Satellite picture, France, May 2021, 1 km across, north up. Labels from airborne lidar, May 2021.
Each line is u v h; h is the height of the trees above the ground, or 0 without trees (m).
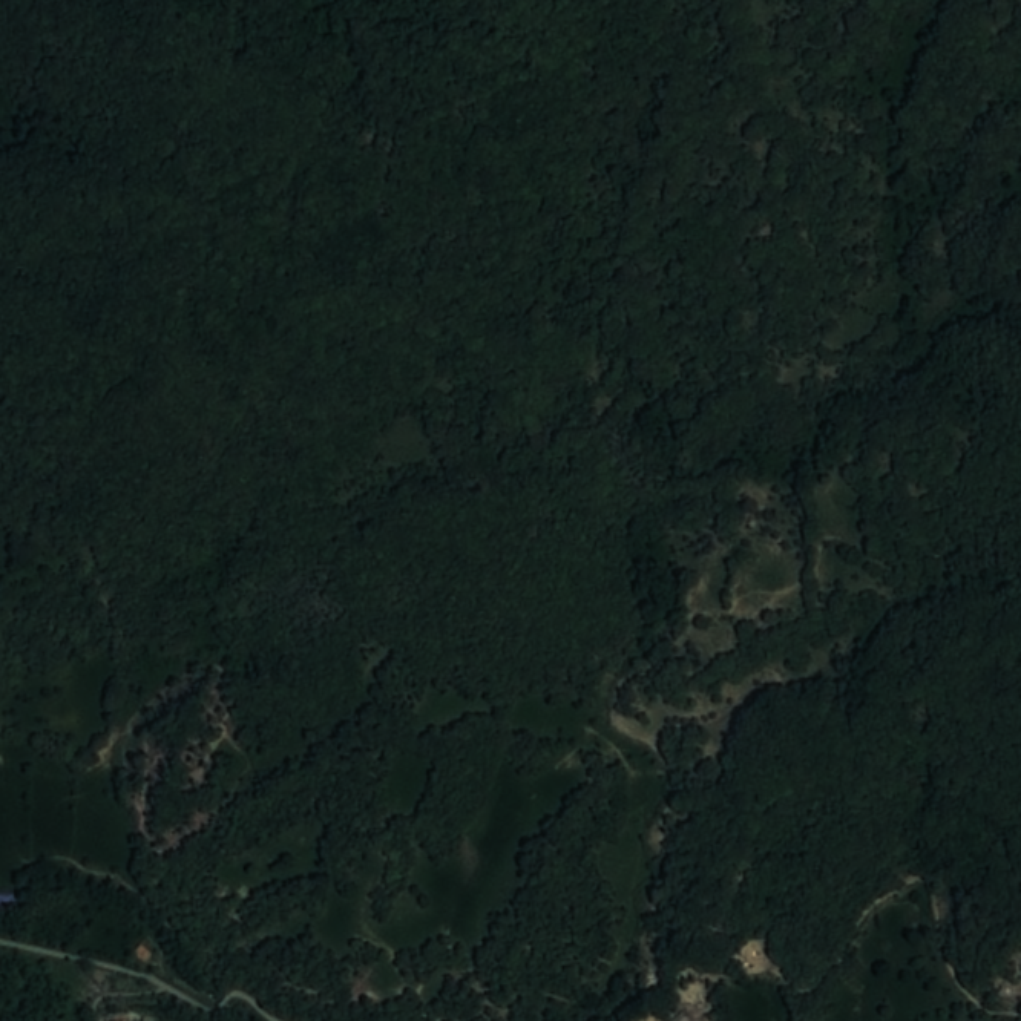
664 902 14
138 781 14
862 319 0
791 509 7
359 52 18
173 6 17
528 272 18
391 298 18
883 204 15
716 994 14
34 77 17
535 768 15
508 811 0
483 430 18
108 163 18
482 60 9
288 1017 15
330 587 10
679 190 16
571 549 12
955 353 12
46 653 10
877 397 16
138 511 15
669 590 19
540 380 17
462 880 0
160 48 17
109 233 16
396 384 20
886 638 18
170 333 14
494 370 20
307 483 15
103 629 16
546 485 12
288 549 11
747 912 16
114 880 15
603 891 17
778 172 14
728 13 14
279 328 14
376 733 15
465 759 16
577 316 12
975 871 17
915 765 17
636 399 14
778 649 23
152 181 13
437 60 12
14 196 15
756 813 13
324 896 14
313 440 17
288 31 15
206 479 13
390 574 10
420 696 13
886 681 15
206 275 13
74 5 20
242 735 16
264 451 9
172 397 16
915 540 17
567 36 14
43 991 16
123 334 14
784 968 14
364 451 16
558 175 11
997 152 17
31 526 16
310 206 13
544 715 0
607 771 18
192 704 15
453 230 11
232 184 9
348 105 18
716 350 13
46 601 7
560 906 16
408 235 12
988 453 12
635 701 8
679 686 16
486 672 17
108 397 15
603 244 12
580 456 12
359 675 16
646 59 15
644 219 14
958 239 12
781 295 17
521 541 10
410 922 0
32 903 18
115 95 12
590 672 11
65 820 0
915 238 10
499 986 12
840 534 0
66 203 14
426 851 12
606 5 14
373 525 14
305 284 15
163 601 14
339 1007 13
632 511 18
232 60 14
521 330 14
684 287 9
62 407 8
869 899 11
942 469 13
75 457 11
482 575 12
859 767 14
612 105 17
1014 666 11
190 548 15
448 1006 14
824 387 12
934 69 18
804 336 13
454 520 13
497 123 11
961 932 15
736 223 16
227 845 12
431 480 17
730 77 8
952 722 14
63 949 8
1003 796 15
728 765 15
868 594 9
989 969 15
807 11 12
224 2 19
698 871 19
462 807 14
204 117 16
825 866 14
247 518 11
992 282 17
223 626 11
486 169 14
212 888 13
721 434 19
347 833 13
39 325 16
